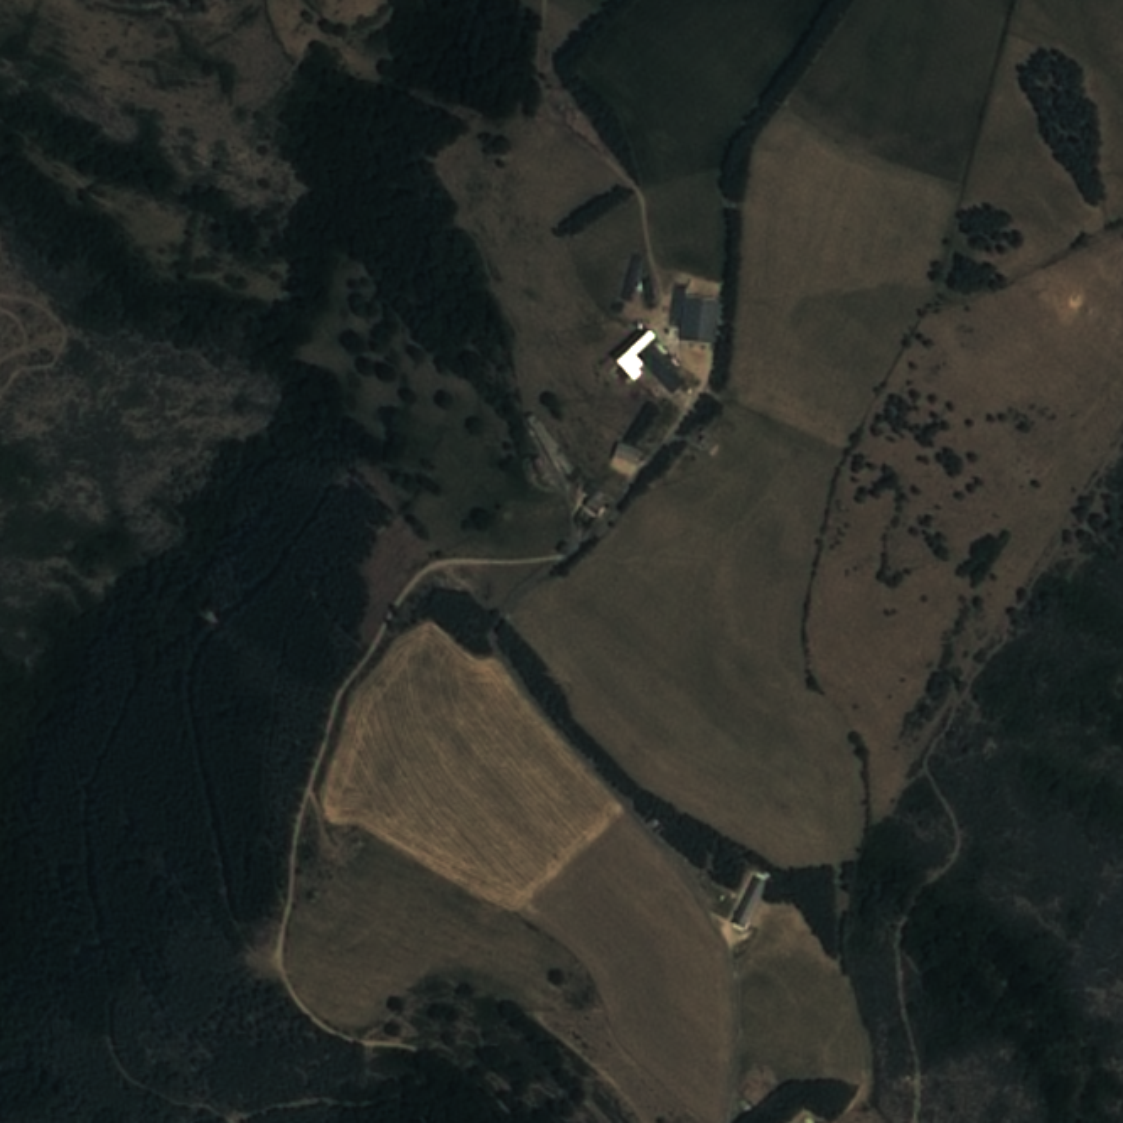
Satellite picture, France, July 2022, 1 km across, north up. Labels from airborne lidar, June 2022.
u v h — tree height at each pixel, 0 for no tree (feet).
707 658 0
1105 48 0
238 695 65
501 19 39
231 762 74
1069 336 0
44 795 71
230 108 0
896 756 0
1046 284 0
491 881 0
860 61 0
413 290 41
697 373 0
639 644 0
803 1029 0
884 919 39
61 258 49
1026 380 0
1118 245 0
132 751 80
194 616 54
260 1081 39
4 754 28
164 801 80
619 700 0
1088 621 18
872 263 0
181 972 43
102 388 0
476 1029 0
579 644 0
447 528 0
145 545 0
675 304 0
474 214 0
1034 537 0
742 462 0
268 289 0
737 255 37
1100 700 30
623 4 53
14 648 0
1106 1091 19
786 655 0
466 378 44
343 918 0
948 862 0
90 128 30
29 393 0
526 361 0
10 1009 60
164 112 0
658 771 0
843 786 0
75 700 56
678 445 29
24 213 34
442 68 59
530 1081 43
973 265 59
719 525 0
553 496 0
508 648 28
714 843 30
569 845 0
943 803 0
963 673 0
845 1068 0
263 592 72
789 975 0
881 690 0
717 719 0
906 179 0
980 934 22
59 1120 37
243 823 63
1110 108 0
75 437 0
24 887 62
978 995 68
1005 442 0
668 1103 0
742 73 0
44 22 0
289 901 0
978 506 0
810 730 0
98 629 57
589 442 0
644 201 0
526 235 0
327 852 0
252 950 0
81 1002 91
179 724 79
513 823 0
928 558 0
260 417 0
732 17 0
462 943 0
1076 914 22
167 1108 39
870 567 0
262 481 66
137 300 43
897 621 0
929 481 0
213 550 31
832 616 0
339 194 92
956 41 0
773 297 0
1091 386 0
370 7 0
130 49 0
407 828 0
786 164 0
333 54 0
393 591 0
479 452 0
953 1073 0
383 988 0
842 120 0
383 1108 61
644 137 0
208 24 0
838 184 0
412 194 50
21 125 48
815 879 36
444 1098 66
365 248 54
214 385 0
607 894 0
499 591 0
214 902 66
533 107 47
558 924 0
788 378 0
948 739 27
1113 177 0
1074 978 0
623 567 0
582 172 0
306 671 64
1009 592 0
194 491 22
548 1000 0
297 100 22
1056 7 0
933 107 0
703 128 0
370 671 0
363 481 70
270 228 26
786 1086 33
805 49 49
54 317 0
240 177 0
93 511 0
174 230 0
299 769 37
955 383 0
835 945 39
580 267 0
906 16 0
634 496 27
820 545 22
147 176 56
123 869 62
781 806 0
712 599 0
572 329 0
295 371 58
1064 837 0
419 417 0
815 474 0
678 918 0
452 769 0
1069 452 0
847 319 0
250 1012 31
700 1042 0
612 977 0
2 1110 58
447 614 39
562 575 34
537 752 0
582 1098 42
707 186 0
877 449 0
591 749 31
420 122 81
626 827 0
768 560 0
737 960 0
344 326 0
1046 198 0
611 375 0
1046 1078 27
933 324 0
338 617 57
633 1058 0
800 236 0
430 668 0
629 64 0
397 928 0
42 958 69
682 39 0
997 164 0
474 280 33
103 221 19
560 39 0
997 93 0
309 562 64
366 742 0
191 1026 40
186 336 34
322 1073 38
